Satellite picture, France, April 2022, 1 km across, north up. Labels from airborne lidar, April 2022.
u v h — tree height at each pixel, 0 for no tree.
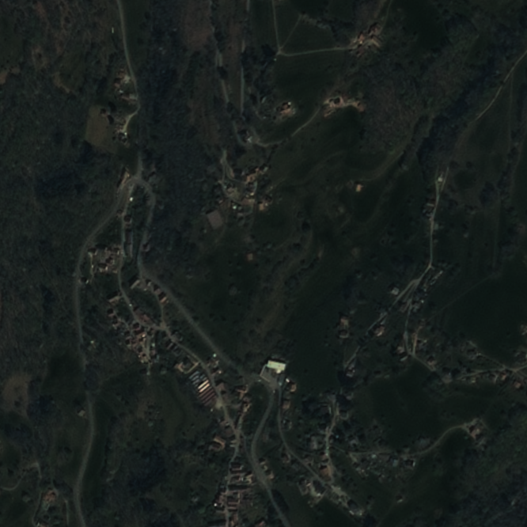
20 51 0
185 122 23
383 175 0
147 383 0
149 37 12
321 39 0
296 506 0
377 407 0
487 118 0
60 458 17
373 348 0
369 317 0
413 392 0
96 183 24
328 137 0
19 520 0
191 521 19
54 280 22
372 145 24
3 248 29
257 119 15
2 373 31
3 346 28
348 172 0
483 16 16
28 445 25
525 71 0
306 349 0
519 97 0
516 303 0
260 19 0
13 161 17
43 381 19
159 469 32
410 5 0
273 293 18
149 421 9
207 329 0
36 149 26
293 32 0
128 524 22
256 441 0
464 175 0
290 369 0
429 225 0
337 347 0
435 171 20
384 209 0
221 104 17
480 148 0
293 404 0
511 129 0
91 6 22
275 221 0
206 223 0
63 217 32
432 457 0
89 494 0
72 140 12
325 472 0
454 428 0
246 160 0
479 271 0
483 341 0
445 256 0
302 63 0
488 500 8
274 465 0
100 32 24
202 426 0
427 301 0
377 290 0
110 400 0
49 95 28
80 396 0
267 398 0
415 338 0
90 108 8
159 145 28
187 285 0
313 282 0
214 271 0
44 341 17
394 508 0
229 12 0
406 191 0
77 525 0
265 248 9
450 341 11
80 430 0
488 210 20
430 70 25
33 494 9
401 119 30
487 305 0
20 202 25
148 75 22
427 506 0
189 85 7
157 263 7
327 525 0
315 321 0
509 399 0
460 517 30
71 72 0
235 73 0
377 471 7
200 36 0
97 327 21
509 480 14
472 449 0
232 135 9
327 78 0
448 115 18
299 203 0
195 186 24
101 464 0
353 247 0
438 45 0
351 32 10
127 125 0
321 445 8
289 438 0
